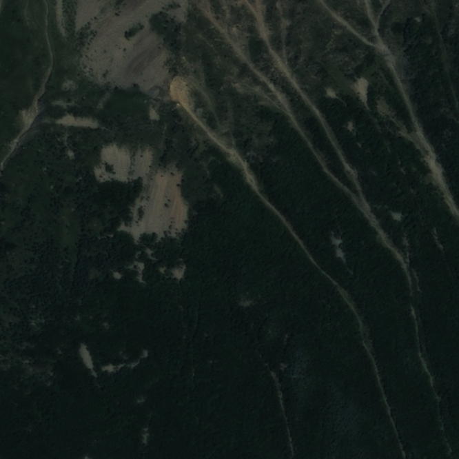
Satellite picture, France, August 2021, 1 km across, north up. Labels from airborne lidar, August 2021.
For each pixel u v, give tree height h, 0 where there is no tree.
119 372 15
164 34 0
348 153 7
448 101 8
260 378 19
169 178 0
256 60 6
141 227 0
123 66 0
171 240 7
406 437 18
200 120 0
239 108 9
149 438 8
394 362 16
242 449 20
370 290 22
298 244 16
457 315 24
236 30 0
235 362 20
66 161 0
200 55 0
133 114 0
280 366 17
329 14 0
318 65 7
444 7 0
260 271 23
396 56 0
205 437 22
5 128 0
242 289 16
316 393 16
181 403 14
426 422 19
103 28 0
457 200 8
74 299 9
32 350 11
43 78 0
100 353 18
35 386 16
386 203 15
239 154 0
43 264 13
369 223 13
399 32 10
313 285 14
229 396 17
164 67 0
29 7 0
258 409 27
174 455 18
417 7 0
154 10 0
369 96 12
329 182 20
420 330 6
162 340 16
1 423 10
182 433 17
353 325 25
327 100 8
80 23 0
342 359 16
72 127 0
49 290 15
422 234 8
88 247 15
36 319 6
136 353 14
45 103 0
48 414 21
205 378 18
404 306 16
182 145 0
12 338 8
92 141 0
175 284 15
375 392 21
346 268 14
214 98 0
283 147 16
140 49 0
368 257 17
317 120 10
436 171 0
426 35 12
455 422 13
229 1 0
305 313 20
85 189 8
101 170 0
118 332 18
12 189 0
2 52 0
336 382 16
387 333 17
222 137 0
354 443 13
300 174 16
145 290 8
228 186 12
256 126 7
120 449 13
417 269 12
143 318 11
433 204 13
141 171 0
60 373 14
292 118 0
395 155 8
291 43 7
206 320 13
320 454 15
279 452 15
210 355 19
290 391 17
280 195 20
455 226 14
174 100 0
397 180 9
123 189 9
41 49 0
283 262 17
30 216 8
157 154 0
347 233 15
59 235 0
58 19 0
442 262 18
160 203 0
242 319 24
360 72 6
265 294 18
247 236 13
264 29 0
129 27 0
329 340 17
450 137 13
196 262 21
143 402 7
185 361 12
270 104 0
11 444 10
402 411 15
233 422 19
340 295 14
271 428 20
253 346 20
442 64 12
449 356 17
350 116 14
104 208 14
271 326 8
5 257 7
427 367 6
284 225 10
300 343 9
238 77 0
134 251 7
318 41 0
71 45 0
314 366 18
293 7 0
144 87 0
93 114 0
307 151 14
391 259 17
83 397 17
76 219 0
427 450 18
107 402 19
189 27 0
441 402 8
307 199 14
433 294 14
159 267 9
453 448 16
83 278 15
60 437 13
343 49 8
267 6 0
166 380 13
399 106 11
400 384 18
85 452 8
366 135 18
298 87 0
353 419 14
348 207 12
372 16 0
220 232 17
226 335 14
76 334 15
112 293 21
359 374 21
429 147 0
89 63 0
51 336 15
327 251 12
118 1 0
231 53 0
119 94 0
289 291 18
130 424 10
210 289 16
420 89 6
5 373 8
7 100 0
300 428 18
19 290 10
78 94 0
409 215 18
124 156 0
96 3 0
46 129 0
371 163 14
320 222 11
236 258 19
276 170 15
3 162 0
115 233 9
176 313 20
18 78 0
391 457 15
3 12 0
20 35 0
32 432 9
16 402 11
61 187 8
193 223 10
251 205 20
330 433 15
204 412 22
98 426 14
